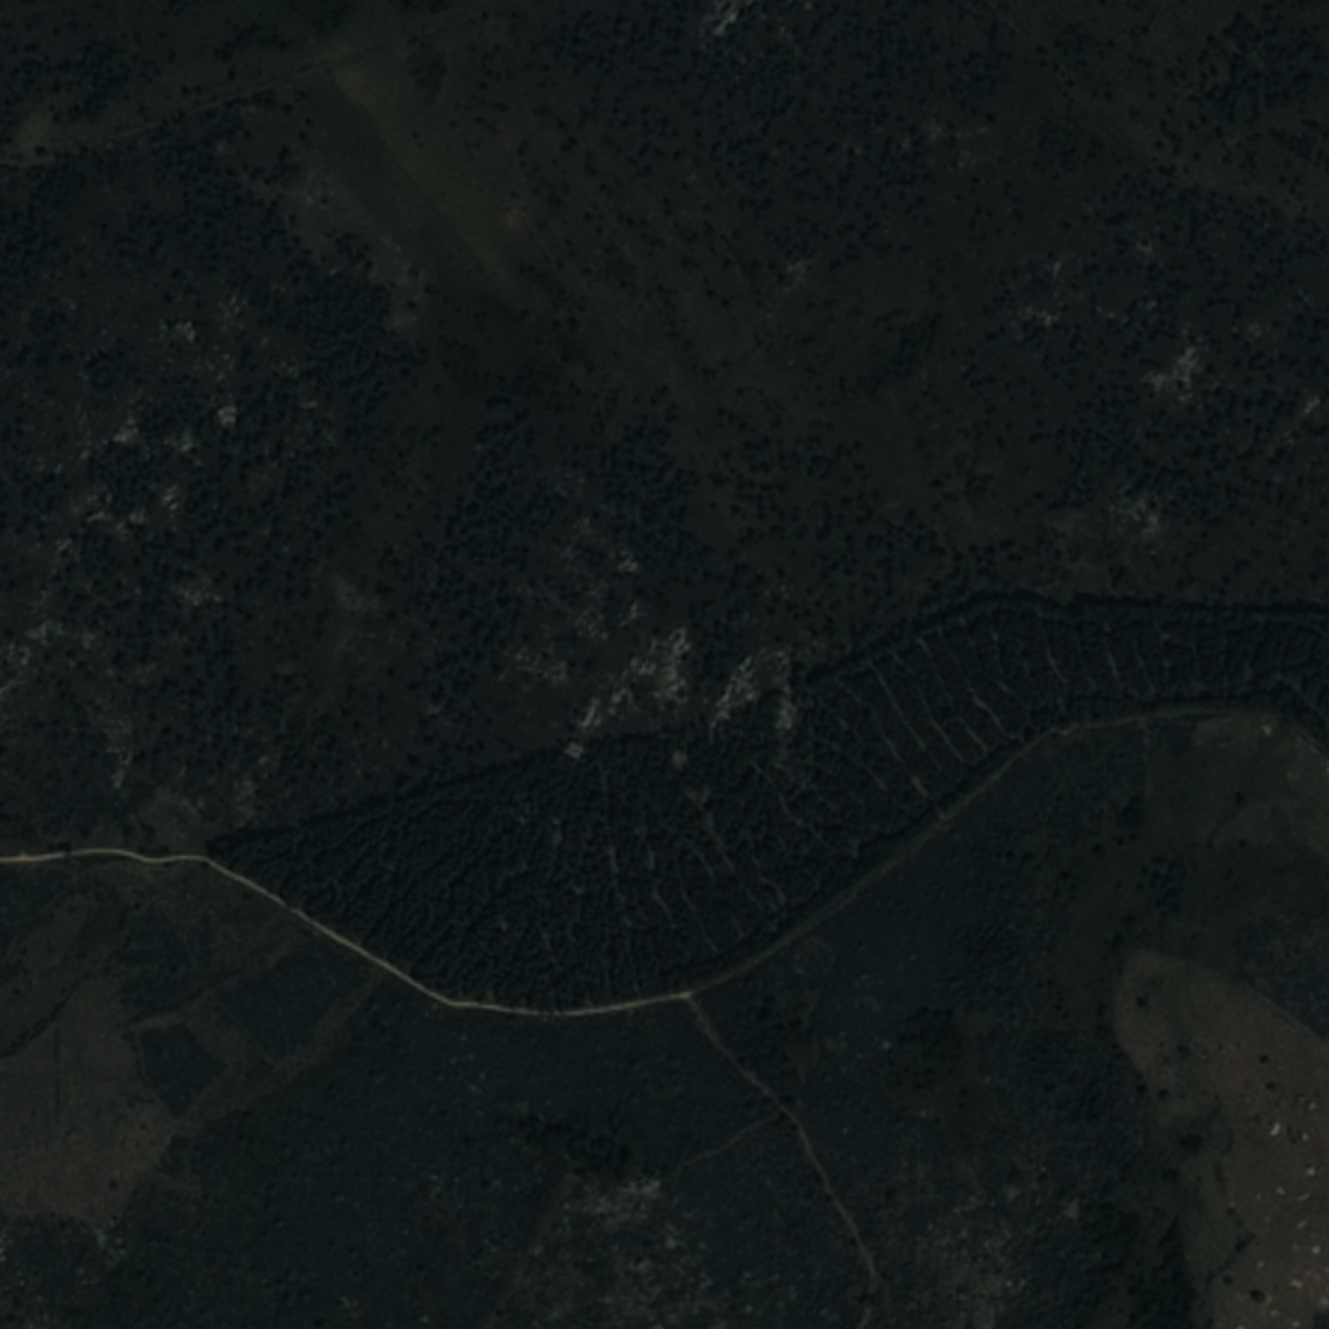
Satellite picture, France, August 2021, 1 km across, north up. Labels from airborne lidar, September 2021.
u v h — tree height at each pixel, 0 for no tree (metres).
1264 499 0
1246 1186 0
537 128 0
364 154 0
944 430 0
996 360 0
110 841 0
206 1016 0
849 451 6
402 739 0
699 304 0
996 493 0
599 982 14
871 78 7
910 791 14
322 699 0
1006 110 0
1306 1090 0
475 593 10
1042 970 0
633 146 0
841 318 0
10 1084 0
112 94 9
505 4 0
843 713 18
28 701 0
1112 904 0
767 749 13
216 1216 0
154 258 7
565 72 0
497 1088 0
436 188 0
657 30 8
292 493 12
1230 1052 0
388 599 6
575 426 0
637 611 0
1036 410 0
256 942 0
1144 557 0
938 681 16
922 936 0
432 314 0
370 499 0
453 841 9
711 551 8
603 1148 11
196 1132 0
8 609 0
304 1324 0
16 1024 0
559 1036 0
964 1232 0
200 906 0
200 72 0
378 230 0
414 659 0
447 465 0
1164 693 18
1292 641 18
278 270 0
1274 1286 0
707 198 0
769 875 13
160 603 8
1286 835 0
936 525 0
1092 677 13
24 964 0
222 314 0
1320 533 0
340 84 0
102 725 0
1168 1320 12
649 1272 0
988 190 0
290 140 0
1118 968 0
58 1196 0
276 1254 0
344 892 9
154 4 0
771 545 0
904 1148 0
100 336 0
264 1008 0
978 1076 0
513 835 15
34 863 0
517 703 0
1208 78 9
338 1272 0
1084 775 0
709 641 8
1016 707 17
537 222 0
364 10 0
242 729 9
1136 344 7
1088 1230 7
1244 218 8
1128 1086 0
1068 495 8
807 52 6
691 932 21
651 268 0
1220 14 0
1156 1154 0
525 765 8
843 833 18
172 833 0
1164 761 0
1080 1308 8
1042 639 14
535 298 0
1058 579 0
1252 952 0
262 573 9
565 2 0
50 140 0
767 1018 12
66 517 0
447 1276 0
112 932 0
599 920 19
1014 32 6
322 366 7
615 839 13
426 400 0
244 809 0
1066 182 0
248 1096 0
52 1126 0
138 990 0
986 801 0
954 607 7
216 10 0
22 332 0
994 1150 0
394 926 16
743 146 8
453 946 15
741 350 0
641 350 0
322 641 0
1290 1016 0
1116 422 8
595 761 11
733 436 0
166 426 7
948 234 0
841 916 0
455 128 0
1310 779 0
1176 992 0
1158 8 0
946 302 0
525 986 17
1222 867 0
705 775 6
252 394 7
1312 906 0
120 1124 0
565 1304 0
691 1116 0
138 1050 0
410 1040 0
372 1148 0
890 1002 0
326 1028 0
